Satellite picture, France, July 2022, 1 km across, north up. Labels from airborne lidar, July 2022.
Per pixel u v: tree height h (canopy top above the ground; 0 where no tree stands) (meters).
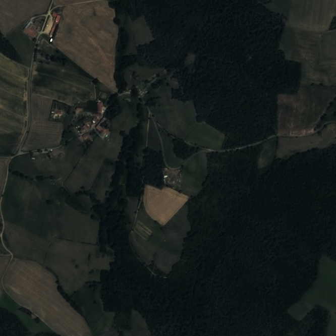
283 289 11
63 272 0
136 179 15
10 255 0
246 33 11
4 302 0
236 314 16
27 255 0
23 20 0
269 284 6
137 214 0
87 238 0
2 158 0
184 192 0
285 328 11
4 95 0
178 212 0
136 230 0
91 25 0
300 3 0
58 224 0
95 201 8
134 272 9
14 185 0
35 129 0
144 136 0
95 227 0
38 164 0
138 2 14
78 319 0
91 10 0
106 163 0
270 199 15
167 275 8
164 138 0
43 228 0
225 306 9
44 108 0
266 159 0
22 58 0
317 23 0
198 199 8
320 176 10
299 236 14
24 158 0
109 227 26
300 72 13
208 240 13
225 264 9
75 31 0
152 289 12
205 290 13
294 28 0
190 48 20
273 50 11
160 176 8
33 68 0
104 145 0
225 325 13
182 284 11
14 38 0
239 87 9
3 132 0
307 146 0
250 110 9
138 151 0
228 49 13
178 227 0
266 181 12
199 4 11
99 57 0
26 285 0
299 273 7
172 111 0
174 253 0
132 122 0
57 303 0
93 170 0
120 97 0
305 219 7
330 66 0
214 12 23
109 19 0
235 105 16
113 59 0
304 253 13
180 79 9
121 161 9
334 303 0
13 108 0
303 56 0
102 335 0
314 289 0
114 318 7
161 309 12
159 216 0
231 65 20
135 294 20
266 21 18
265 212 16
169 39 10
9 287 0
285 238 14
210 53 13
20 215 0
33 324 0
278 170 11
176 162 0
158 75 9
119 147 0
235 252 13
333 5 0
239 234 13
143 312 13
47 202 11
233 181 12
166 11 18
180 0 15
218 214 12
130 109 0
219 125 9
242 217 9
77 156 0
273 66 6
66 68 0
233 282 13
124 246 10
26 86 0
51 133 0
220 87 9
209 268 12
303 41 0
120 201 19
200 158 0
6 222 0
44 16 0
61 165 0
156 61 13
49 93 0
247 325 11
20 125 0
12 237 0
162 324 21
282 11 0
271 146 0
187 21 15
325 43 0
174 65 13
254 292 17
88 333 0
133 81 0
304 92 0
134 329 0
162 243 0
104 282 9
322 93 0
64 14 0
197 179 0
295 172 12
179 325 11
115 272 26
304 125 0
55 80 0
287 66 14
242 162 7
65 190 6
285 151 0
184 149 8
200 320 8
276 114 14
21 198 0
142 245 0
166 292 12
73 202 0
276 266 13
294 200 9
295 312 0
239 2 11
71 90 0
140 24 0
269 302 17
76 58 0
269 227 14
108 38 0
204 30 20
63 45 0
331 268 0
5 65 0
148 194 0
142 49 11
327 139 0
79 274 0
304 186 10
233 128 8
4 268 0
